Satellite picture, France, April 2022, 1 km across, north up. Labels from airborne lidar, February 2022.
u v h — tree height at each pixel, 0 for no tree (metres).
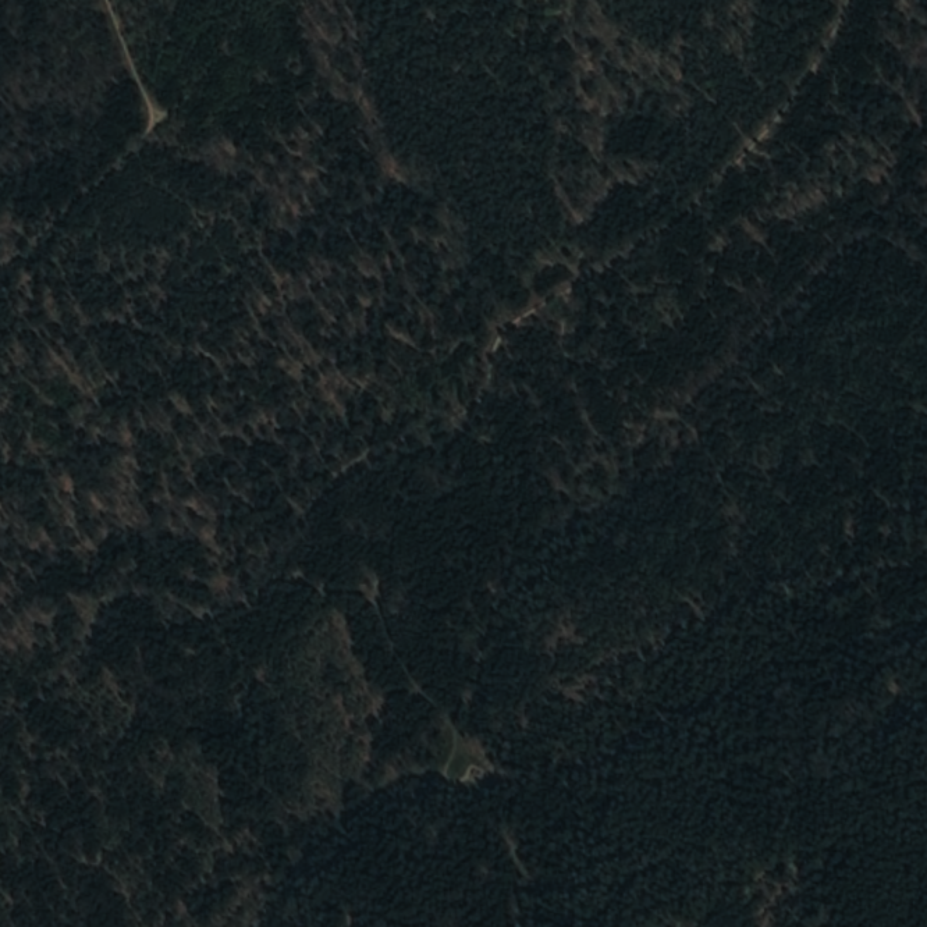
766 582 13
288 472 28
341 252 33
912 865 23
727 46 21
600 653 12
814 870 25
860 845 24
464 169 30
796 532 12
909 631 13
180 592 26
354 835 26
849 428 11
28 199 14
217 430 22
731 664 26
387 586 23
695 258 11
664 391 10
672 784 21
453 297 7
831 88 15
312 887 28
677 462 17
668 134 12
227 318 26
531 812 25
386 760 24
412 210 32
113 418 10
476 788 0
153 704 22
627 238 24
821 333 12
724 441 15
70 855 13
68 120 14
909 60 18
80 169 13
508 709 11
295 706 9
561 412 20
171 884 14
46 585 28
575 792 17
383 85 23
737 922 12
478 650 18
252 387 25
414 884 25
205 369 24
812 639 29
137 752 21
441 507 24
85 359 27
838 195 20
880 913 20
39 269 27
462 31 29
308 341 20
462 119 30
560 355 16
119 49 9
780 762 22
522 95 23
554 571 9
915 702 6
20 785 11
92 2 12
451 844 30
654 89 19
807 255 17
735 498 11
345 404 10
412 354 16
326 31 29
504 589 14
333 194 30
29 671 10
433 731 23
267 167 21
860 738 20
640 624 9
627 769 28
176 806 17
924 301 8
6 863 18
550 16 23
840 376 9
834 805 20
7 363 24
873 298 12
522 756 19
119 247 10
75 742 16
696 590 9
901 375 8
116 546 18
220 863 11
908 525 24
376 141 32
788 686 25
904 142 11
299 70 19
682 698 26
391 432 16
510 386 16
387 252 32
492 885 23
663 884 27
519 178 24
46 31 11
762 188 11
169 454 11
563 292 0
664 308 14
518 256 24
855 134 24
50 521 30
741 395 13
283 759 6
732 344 15
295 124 16
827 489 11
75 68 10
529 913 28
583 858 12
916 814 20
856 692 23
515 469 26
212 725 13
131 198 10
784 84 18
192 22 11
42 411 10
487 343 10
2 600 25
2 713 8
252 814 24
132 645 26
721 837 29
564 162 7
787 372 9
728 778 28
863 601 13
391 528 23
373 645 22
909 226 16
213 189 9
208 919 23
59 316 24
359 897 20
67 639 24
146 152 12
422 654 25
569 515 25
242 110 11
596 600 8
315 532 23
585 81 21
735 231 10
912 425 13
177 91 8
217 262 11
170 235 9
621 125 19
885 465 12
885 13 12
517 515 24
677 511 13
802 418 11
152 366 25
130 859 12
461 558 28
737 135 22
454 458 28
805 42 27
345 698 7
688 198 20
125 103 13
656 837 25
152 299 9
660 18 24
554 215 28
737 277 13
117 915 14
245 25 11
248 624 21
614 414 11
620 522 9
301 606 28
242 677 28
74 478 27
